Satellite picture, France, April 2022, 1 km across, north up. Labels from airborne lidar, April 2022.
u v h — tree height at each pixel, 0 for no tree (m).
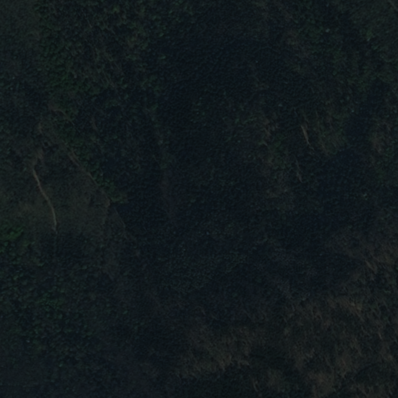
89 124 29
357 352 22
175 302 20
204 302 22
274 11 29
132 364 19
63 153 19
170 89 19
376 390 17
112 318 23
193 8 27
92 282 23
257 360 19
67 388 20
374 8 17
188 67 29
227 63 19
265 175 10
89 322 23
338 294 16
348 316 21
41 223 18
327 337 20
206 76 26
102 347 13
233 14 25
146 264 20
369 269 19
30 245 10
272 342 15
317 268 25
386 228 25
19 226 22
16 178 15
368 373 23
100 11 33
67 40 25
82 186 16
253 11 25
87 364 19
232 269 26
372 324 15
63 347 17
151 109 33
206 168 24
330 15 32
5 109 19
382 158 20
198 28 27
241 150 20
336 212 22
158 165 26
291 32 20
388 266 26
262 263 23
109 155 15
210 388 27
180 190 28
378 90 29
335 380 16
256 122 17
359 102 27
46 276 22
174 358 19
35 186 21
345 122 28
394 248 29
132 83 20
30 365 31
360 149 20
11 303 20
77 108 28
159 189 31
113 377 15
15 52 17
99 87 29
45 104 22
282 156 20
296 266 28
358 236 28
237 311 20
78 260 20
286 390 24
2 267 19
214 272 25
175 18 28
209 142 22
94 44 32
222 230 25
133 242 7
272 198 14
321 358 18
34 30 17
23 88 23
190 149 30
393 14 15
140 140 33
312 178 25
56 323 15
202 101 21
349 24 34
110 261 14
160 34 30
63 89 17
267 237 21
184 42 27
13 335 27
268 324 16
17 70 22
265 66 28
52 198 17
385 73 21
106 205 17
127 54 31
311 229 22
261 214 19
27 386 30
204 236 23
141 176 27
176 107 26
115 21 32
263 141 15
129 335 25
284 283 23
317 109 27
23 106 15
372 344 20
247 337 17
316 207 27
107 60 39
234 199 24
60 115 15
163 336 21
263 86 18
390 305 25
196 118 22
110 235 17
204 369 22
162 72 23
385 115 31
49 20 19
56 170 18
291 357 16
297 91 29
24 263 17
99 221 15
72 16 30
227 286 19
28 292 20
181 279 26
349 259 26
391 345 22
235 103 23
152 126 37
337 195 37
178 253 30
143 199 28
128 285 17
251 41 28
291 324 23
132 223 24
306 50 16
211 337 18
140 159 28
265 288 23
